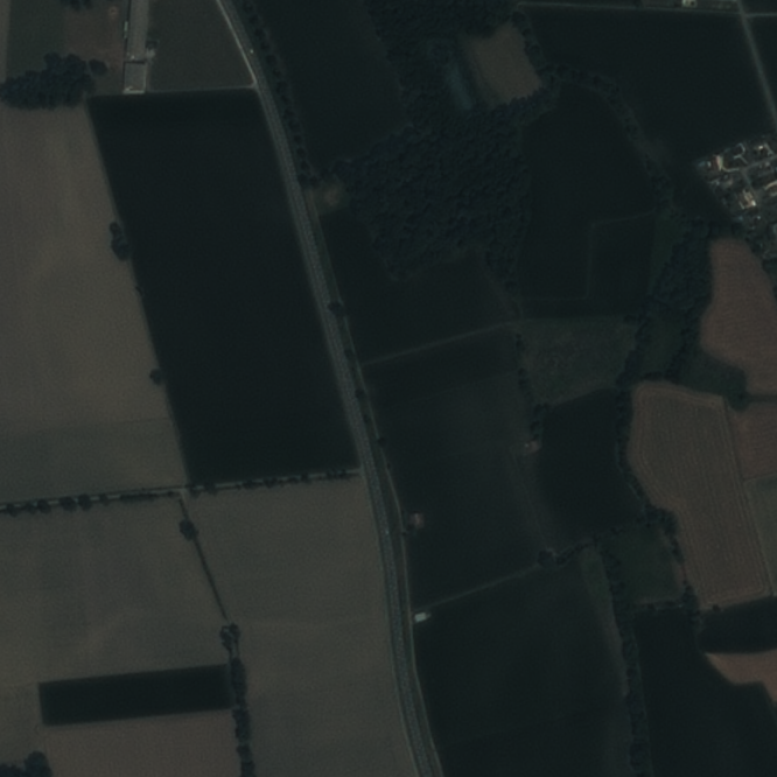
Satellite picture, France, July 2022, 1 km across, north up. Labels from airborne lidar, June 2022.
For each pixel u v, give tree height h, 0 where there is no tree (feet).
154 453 0
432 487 0
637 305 0
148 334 0
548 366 0
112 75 0
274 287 0
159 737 0
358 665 0
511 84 0
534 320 0
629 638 35
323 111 0
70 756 0
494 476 0
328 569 0
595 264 0
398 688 0
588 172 0
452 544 0
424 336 0
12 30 0
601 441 0
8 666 0
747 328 0
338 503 0
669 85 0
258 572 0
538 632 0
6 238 0
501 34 0
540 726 0
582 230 0
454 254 74
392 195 92
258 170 0
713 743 0
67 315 0
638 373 57
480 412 0
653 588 0
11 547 0
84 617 0
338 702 0
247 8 48
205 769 0
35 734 0
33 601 0
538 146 0
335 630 0
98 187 0
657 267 0
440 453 0
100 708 0
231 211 0
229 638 61
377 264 0
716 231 50
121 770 0
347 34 0
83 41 0
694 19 0
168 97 0
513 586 0
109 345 0
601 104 0
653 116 0
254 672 0
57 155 0
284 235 0
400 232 86
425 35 43
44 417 0
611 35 0
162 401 0
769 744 0
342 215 0
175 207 0
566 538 0
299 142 44
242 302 0
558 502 0
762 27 0
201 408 0
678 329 0
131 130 0
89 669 0
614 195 0
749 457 0
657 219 0
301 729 0
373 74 0
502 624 0
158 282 0
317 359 0
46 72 24
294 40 0
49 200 0
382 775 0
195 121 0
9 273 0
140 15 0
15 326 0
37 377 0
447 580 0
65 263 0
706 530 0
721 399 0
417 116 70
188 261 0
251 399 0
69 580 0
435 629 0
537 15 0
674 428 0
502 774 0
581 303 0
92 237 0
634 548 0
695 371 0
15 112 0
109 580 0
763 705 0
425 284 0
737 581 0
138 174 0
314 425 0
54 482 0
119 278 0
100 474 0
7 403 0
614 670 0
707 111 0
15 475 0
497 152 70
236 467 0
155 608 0
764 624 0
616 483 0
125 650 0
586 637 0
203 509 0
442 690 0
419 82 38
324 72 0
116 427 0
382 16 60
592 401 0
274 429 0
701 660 0
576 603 0
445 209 104
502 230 73
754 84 0
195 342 0
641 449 0
